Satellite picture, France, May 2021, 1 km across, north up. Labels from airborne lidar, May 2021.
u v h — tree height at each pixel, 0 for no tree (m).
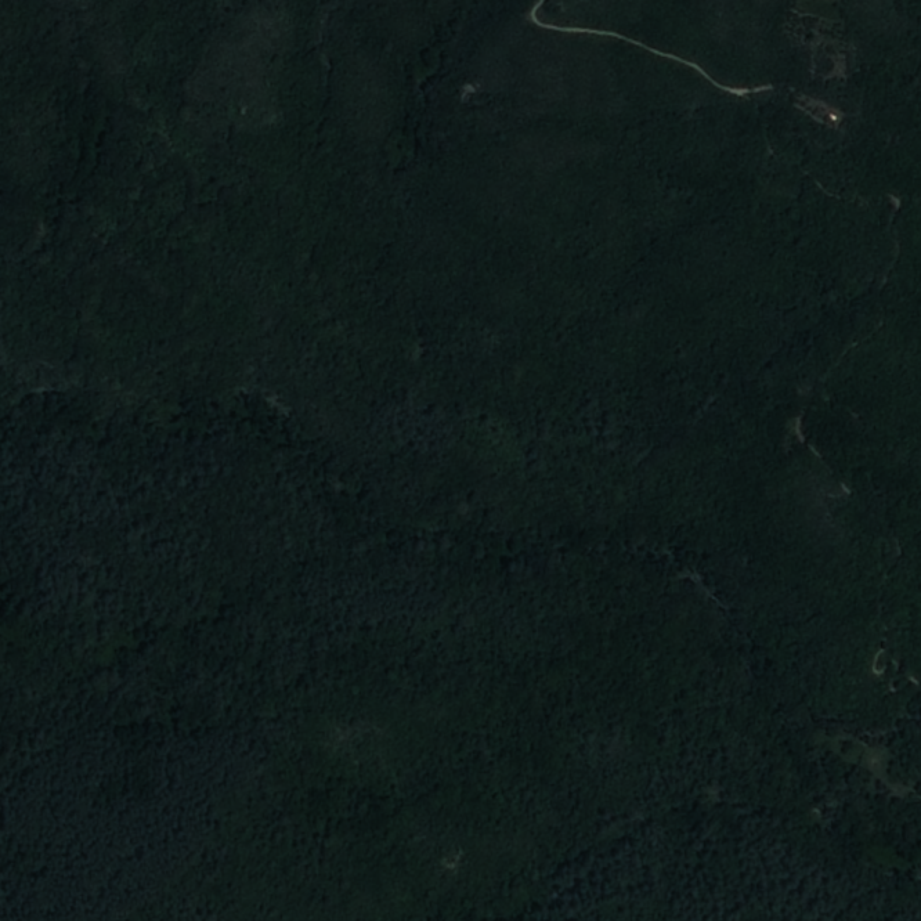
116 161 13
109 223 6
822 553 7
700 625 19
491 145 6
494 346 8
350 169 10
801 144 12
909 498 15
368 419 18
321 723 8
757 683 22
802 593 11
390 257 17
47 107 14
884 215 11
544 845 12
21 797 19
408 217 8
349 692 7
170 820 19
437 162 10
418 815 10
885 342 10
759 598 12
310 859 15
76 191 17
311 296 6
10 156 8
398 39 6
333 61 14
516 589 13
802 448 16
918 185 12
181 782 21
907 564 14
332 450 14
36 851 21
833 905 22
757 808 15
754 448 16
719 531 17
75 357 12
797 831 21
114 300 14
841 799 18
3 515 16
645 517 15
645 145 10
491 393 11
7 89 9
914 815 12
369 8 6
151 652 20
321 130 16
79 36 10
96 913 21
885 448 9
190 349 13
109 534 12
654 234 17
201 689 20
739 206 10
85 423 20
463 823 11
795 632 18
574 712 9
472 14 8
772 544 15
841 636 7
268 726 23
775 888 25
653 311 11
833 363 12
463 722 9
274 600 16
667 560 26
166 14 9
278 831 13
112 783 25
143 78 9
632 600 17
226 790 17
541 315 9
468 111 12
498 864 7
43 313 8
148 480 24
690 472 9
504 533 24
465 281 11
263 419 22
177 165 12
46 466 22
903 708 17
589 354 10
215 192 6
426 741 6
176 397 18
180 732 15
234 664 18
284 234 7
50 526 11
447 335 10
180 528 15
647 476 17
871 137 11
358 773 7
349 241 17
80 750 21
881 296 11
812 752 21
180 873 17
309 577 24
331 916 7
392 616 19
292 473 22
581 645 16
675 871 17
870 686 7
